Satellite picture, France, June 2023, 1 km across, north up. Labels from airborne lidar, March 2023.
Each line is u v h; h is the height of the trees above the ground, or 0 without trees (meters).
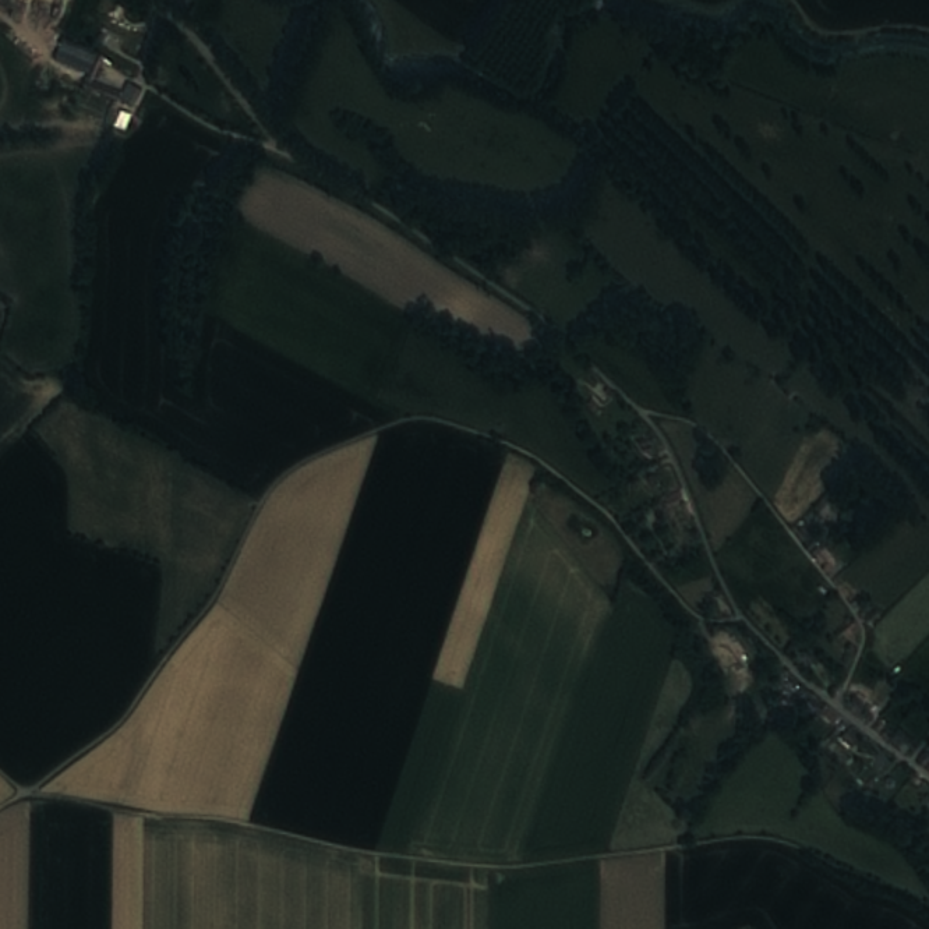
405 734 0
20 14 0
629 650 0
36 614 0
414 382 0
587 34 0
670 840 0
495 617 0
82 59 0
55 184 0
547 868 0
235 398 0
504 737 0
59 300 0
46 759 0
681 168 34
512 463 0
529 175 0
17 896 0
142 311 0
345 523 0
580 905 0
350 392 0
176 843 0
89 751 0
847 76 0
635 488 0
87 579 0
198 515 0
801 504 0
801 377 0
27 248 0
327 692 0
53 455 6
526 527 0
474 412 0
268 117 34
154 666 0
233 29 0
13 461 0
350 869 0
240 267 0
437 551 0
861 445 0
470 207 38
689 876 0
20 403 0
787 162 0
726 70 16
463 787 0
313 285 0
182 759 0
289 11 0
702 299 0
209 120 7
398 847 0
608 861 0
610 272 9
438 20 0
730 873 0
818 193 0
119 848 0
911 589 0
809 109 0
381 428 0
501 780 0
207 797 0
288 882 0
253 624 0
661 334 39
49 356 0
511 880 0
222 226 17
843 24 0
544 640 0
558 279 0
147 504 0
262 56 0
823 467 0
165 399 0
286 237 0
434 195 40
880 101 0
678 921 0
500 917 0
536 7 29
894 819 21
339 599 0
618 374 0
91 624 0
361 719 0
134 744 0
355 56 0
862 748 0
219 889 0
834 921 0
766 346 0
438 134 0
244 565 0
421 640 0
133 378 0
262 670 0
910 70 0
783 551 0
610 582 0
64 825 0
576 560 0
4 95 0
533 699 0
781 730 21
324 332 0
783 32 12
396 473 0
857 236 0
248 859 0
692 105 0
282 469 0
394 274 0
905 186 0
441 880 0
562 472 0
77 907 0
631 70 0
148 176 0
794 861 0
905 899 10
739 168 0
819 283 30
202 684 0
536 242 0
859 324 31
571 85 0
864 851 0
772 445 0
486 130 0
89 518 0
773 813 0
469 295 0
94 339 0
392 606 0
